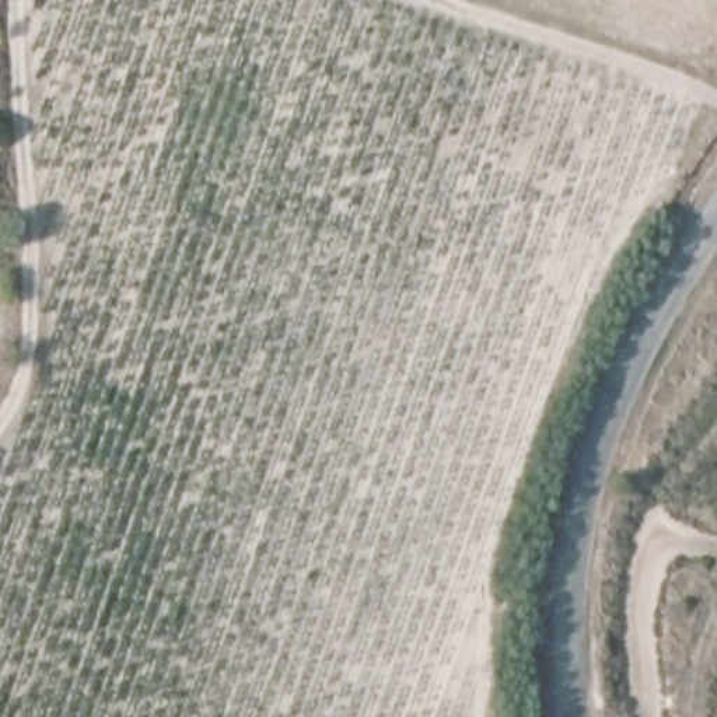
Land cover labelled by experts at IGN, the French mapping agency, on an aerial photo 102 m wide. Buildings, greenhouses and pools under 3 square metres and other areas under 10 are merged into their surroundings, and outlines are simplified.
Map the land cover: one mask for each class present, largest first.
<instances>
[{"label":"vineyard","instance_id":"1","mask_svg":"<svg viewBox=\"0 0 717 717\"><path fill-rule=\"evenodd\" d=\"M420 0H11V109L34 120V132L22 134L14 143L17 199L20 207H36L50 202L62 204V227L53 235L22 246L20 263L34 274L31 297L14 300L0 291V717H487L493 692L490 577L504 518L513 507L518 479L524 476L535 431L541 426L546 401L557 384L560 367L574 342L583 336V319L588 305L599 294L613 266V258L627 244L644 210L664 207L667 202H672L675 176L686 174L695 165L703 146L711 140L717 129V109L706 104L664 106V95L641 87L639 76H630L625 70H608L599 62H577L574 56L546 50L543 45H532L527 39H515L499 31L471 28L445 17L420 14L415 11V6Z\"/></svg>","mask_w":717,"mask_h":717},{"label":"herbaceous vegetation","instance_id":"2","mask_svg":"<svg viewBox=\"0 0 717 717\"><path fill-rule=\"evenodd\" d=\"M11 0H0V291L14 300L31 297L34 274L20 263L22 246L53 235L62 227V204L50 202L36 207H20L17 199L14 143L22 134L34 132V120L11 109ZM504 11L521 20L549 25L580 39H591L597 45L681 70L689 78L717 87V0H496ZM711 157H717V129L711 140L703 146L695 165L686 174L675 176L672 202L689 204L695 182L711 162ZM697 294H686L681 314L675 316L653 364L647 367V375L641 381V392H647V398L633 415L630 440H611V445L619 451V465L627 473L650 465V459L664 448L667 429L686 412L692 398L700 395L703 381L711 375L717 364V255L711 258L703 277L692 286ZM717 445V423L681 462V471L692 473L706 459L709 448ZM625 515L622 493L608 479H602L597 482V496L591 499L588 532L580 541V563L566 580V588L574 602L569 667L577 672V689L585 695L583 717H619L605 703L602 683L605 636L611 616L602 608V580L616 577V541L611 532L613 521ZM697 532L717 535V513L709 507L689 504V513L681 521ZM661 695L675 697V706L661 711L664 717H717V560L709 555H678L664 571L653 616ZM538 717H555V686L560 667L555 664V650L563 644L555 639V611L543 605L538 611V625L532 627Z\"/></svg>","mask_w":717,"mask_h":717},{"label":"deciduous trees","instance_id":"3","mask_svg":"<svg viewBox=\"0 0 717 717\"><path fill-rule=\"evenodd\" d=\"M672 224L664 207L644 210L627 244L613 258V266L599 294L588 305L583 319V336L574 342L560 367L557 384L546 401L541 426L535 431L524 476L518 479L513 507L504 518L490 577L493 692L487 717H538L532 627L538 625V611L532 605L529 591L541 580L546 566V549L552 543L549 515L557 510L566 451L583 426V412L591 403L597 373L608 367V359L613 356L622 328L630 316V308L647 300V283L655 277L658 263L669 252ZM602 479H608L622 493H639L653 507H655L653 490L664 479V468L650 465L627 473L611 468V473H605Z\"/></svg>","mask_w":717,"mask_h":717},{"label":"impervious surface","instance_id":"4","mask_svg":"<svg viewBox=\"0 0 717 717\"><path fill-rule=\"evenodd\" d=\"M672 224L669 252L658 263L655 277L647 283V300L630 308V316L622 328L613 356L608 359V367L597 373L591 403L583 412V426L566 451L557 510L549 515L552 543L546 549V566L541 580L529 591L532 605L538 611L543 605L555 611V639L563 644L555 650V664L560 667L555 686V717H583L585 695L577 689V672L569 667L574 602L566 588V580L580 563V541L588 532L591 499L597 496V482L602 479L605 473H611V468L627 473L619 465V451L611 445V440H630L633 415L647 398V392H641V381L647 375V367L653 364L675 316L681 314L686 294H697L692 286L703 277L711 258L717 255V157H711V162L695 182L689 204L672 202H667L664 207Z\"/></svg>","mask_w":717,"mask_h":717},{"label":"brushwood","instance_id":"5","mask_svg":"<svg viewBox=\"0 0 717 717\"><path fill-rule=\"evenodd\" d=\"M717 423V364L711 375L703 381L700 395L692 398L686 412L667 429L664 448L650 459V465L664 468V479L653 490L655 507H664L669 518L681 521L689 513V504L709 507L717 513V445L709 448L706 459L692 473L681 471V462ZM625 515L613 521L611 532L616 541V577L602 580V608L611 616L605 636L602 683L605 703L619 717H641L639 700L630 692L625 636L636 535L641 529L644 515L653 507L639 493H622Z\"/></svg>","mask_w":717,"mask_h":717},{"label":"pervious surface","instance_id":"6","mask_svg":"<svg viewBox=\"0 0 717 717\"><path fill-rule=\"evenodd\" d=\"M678 555H709L717 560V535L697 532L681 521L669 518L664 507H653L644 515L641 529L636 535L625 636L630 692L639 700L641 717H664L661 711L675 706V697L661 695L653 616L664 571Z\"/></svg>","mask_w":717,"mask_h":717},{"label":"plowed land","instance_id":"7","mask_svg":"<svg viewBox=\"0 0 717 717\"><path fill-rule=\"evenodd\" d=\"M415 11L420 14L445 17L471 28L499 31L515 39H527L532 45H543L546 50L574 56L577 62H599L608 70H625L630 76H639L641 87L664 95V106L706 104L717 109V87L689 78L681 70L597 45L591 39H580L549 25L521 20L504 11L496 0H420L415 6Z\"/></svg>","mask_w":717,"mask_h":717}]
</instances>
